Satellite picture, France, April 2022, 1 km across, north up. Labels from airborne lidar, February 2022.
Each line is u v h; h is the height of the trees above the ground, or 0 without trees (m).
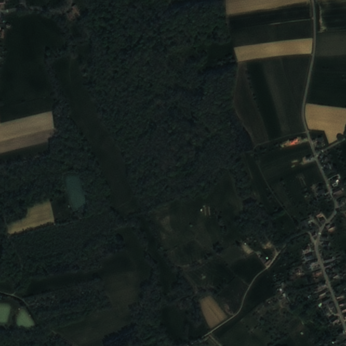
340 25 0
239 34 0
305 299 12
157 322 26
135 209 0
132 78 27
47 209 0
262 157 0
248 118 0
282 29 0
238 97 0
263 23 0
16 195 25
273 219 12
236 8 0
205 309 0
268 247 0
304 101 0
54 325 25
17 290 16
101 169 20
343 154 0
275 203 0
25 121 0
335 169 9
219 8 29
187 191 30
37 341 24
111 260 0
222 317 0
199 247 0
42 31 0
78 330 0
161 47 28
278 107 0
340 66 0
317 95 0
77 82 0
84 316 27
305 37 0
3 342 32
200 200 0
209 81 32
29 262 17
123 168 0
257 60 0
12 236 8
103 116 25
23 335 29
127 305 0
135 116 30
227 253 0
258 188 0
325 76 0
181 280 19
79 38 17
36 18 0
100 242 26
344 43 0
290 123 0
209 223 0
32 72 0
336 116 0
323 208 0
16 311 0
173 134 34
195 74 29
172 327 0
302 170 0
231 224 0
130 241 0
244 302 0
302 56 0
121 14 26
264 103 0
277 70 0
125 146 26
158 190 25
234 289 0
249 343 0
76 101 0
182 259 0
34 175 22
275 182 0
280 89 0
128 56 29
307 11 0
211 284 0
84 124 0
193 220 0
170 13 33
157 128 30
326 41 0
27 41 0
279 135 0
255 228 27
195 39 24
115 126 28
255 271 0
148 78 30
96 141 0
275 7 0
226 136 32
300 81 0
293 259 8
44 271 21
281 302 0
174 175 31
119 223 24
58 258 21
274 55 0
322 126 0
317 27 0
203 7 29
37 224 0
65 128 29
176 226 0
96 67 24
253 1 0
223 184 0
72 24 0
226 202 0
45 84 0
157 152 32
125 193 0
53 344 25
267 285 0
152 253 0
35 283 0
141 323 25
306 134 0
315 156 0
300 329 0
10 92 0
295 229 0
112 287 0
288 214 0
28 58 0
